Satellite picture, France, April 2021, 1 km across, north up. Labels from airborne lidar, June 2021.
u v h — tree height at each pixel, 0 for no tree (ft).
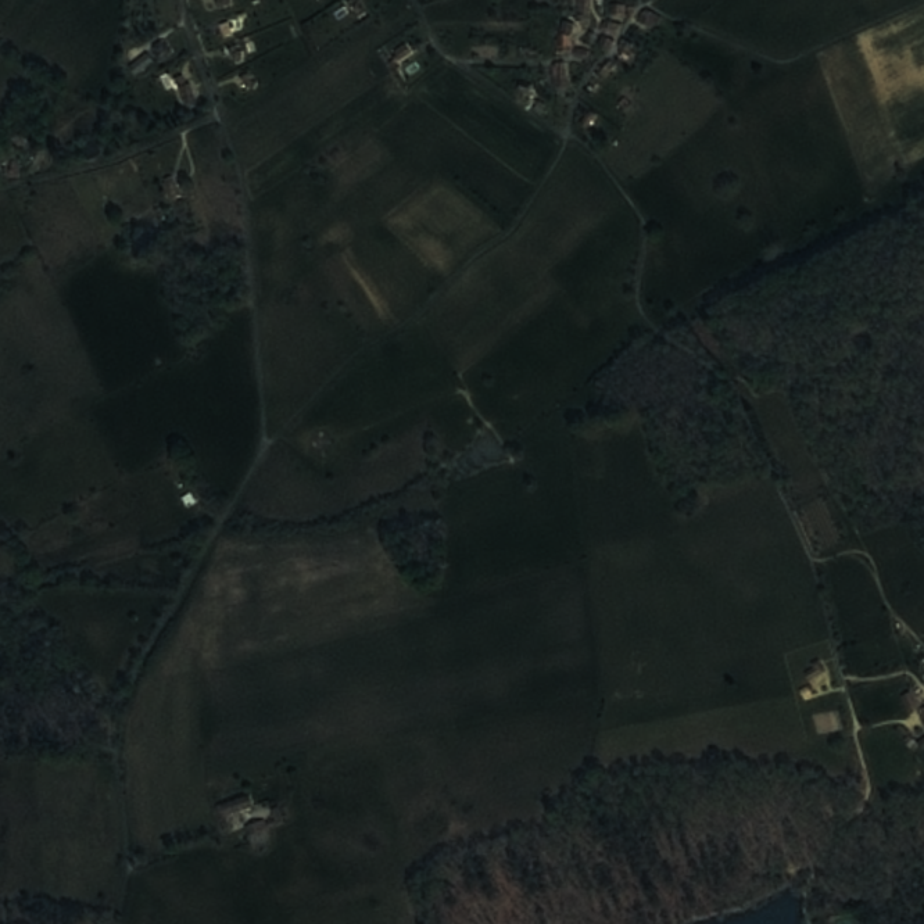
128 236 24
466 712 0
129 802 0
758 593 0
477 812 0
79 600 0
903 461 66
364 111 0
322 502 0
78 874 0
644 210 0
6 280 20
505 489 0
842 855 69
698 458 67
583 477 0
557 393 0
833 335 66
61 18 0
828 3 0
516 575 0
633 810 73
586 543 0
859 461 69
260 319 0
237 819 0
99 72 0
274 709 0
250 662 0
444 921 68
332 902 0
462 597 0
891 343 58
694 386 36
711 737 0
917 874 48
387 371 0
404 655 0
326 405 0
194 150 0
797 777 67
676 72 0
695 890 69
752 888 64
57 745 59
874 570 0
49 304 0
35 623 57
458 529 0
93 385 0
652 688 0
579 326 0
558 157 0
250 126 0
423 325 0
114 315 0
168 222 28
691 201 0
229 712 0
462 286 0
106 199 0
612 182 0
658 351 35
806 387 47
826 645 0
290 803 0
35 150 51
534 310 0
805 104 0
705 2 0
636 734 0
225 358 0
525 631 0
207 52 0
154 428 0
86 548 0
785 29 0
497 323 0
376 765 0
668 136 0
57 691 64
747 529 0
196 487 48
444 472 25
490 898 57
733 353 65
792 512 19
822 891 25
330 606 0
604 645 0
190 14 31
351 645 0
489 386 31
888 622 0
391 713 0
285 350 0
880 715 0
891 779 0
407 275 0
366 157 0
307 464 0
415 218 0
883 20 0
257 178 0
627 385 50
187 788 0
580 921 52
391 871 0
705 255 0
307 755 0
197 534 59
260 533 35
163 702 0
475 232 0
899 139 0
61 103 37
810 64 0
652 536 0
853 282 71
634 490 0
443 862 65
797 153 0
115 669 0
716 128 0
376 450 35
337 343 0
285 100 0
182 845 59
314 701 0
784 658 0
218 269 54
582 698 0
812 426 67
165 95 0
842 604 0
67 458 0
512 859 57
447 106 0
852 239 71
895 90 0
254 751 0
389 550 48
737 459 59
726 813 65
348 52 0
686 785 73
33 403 0
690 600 0
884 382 42
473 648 0
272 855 0
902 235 53
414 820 0
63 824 0
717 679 0
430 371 0
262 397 0
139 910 0
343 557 0
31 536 45
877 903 64
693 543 0
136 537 0
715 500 0
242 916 0
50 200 0
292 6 0
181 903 0
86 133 23
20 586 49
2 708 52
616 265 0
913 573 0
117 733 35
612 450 0
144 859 46
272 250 0
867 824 53
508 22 30
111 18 0
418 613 0
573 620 0
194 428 0
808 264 61
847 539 21
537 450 0
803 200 0
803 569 0
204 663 0
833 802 66
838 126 0
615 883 82
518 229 0
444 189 0
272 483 0
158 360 0
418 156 0
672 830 64
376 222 0
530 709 0
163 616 44
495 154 0
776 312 70
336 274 0
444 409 0
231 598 0
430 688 0
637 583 0
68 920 68
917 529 42
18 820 0
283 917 0
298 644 0
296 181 0
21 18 0
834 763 0
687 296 0
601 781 61
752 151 0
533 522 0
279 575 0
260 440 0
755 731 0
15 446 0
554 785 0
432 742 0
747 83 0
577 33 0
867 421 45
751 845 62
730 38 0
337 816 0
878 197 0
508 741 0
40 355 0
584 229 0
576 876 67
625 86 0
